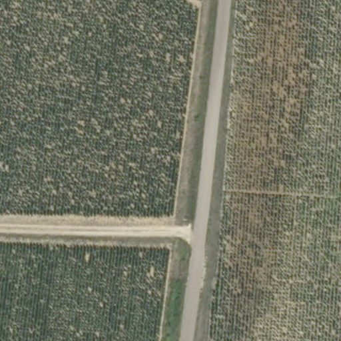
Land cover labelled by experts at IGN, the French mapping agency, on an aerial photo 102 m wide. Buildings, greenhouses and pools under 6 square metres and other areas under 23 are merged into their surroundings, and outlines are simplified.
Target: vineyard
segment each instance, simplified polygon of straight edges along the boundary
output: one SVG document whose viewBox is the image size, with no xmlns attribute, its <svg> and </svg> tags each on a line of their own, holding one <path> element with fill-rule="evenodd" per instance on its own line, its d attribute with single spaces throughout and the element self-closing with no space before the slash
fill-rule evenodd
<svg viewBox="0 0 341 341">
<path fill-rule="evenodd" d="M 167 248 L 53 245 L 53 249 L 49 249 L 49 245 L 0 242 L 0 341 L 157 341 L 167 278 Z"/>
<path fill-rule="evenodd" d="M 186 96 L 192 67 L 190 55 L 193 52 L 197 23 L 197 8 L 186 0 L 0 0 L 0 214 L 161 217 L 172 214 L 178 159 L 184 132 Z"/>
<path fill-rule="evenodd" d="M 209 341 L 341 341 L 341 0 L 232 0 L 224 73 L 230 76 L 233 92 L 230 93 L 226 112 L 228 131 L 225 137 L 224 177 L 220 201 L 224 216 L 221 221 L 222 229 L 214 233 L 217 237 L 216 244 L 222 246 L 222 250 L 218 253 L 220 258 L 216 288 L 213 290 L 214 301 L 210 310 L 212 313 Z"/>
</svg>

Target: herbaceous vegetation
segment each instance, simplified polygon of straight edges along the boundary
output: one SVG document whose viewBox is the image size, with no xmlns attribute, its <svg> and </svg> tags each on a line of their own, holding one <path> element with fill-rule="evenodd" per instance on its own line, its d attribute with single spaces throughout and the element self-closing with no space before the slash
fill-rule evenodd
<svg viewBox="0 0 341 341">
<path fill-rule="evenodd" d="M 197 23 L 193 52 L 190 55 L 192 67 L 186 96 L 184 132 L 178 159 L 172 214 L 161 217 L 0 214 L 0 242 L 49 245 L 49 249 L 53 249 L 53 245 L 167 248 L 167 278 L 157 341 L 180 341 L 185 286 L 192 256 L 192 248 L 188 244 L 192 240 L 189 224 L 196 217 L 218 0 L 186 0 L 197 8 Z"/>
<path fill-rule="evenodd" d="M 209 341 L 212 313 L 210 310 L 214 301 L 213 290 L 216 288 L 220 258 L 218 253 L 222 250 L 222 246 L 216 244 L 217 237 L 214 233 L 222 229 L 221 221 L 224 216 L 220 201 L 224 177 L 225 137 L 228 131 L 226 112 L 230 93 L 233 92 L 230 76 L 224 73 L 212 194 L 206 225 L 205 278 L 198 301 L 193 341 Z"/>
</svg>

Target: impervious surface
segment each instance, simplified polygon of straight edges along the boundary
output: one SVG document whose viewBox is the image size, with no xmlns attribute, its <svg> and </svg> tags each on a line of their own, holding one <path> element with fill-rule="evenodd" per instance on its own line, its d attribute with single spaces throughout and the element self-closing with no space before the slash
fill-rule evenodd
<svg viewBox="0 0 341 341">
<path fill-rule="evenodd" d="M 192 256 L 185 286 L 180 341 L 193 341 L 198 301 L 205 278 L 206 225 L 212 194 L 224 73 L 232 0 L 218 0 L 196 217 L 189 224 L 192 240 L 188 244 L 192 248 Z"/>
</svg>

